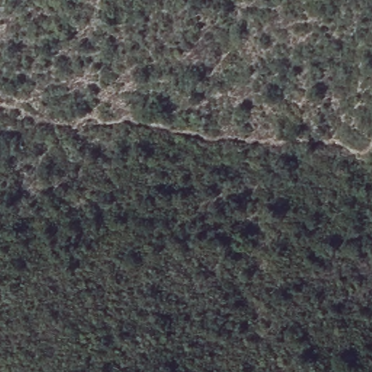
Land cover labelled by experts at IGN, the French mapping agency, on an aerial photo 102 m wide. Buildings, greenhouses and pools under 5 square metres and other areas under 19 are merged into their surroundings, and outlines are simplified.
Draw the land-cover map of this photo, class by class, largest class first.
<instances>
[{"label":"brushwood","instance_id":"1","mask_svg":"<svg viewBox=\"0 0 372 372\"><path fill-rule=\"evenodd\" d=\"M0 372H372V0H0Z\"/></svg>","mask_w":372,"mask_h":372}]
</instances>
